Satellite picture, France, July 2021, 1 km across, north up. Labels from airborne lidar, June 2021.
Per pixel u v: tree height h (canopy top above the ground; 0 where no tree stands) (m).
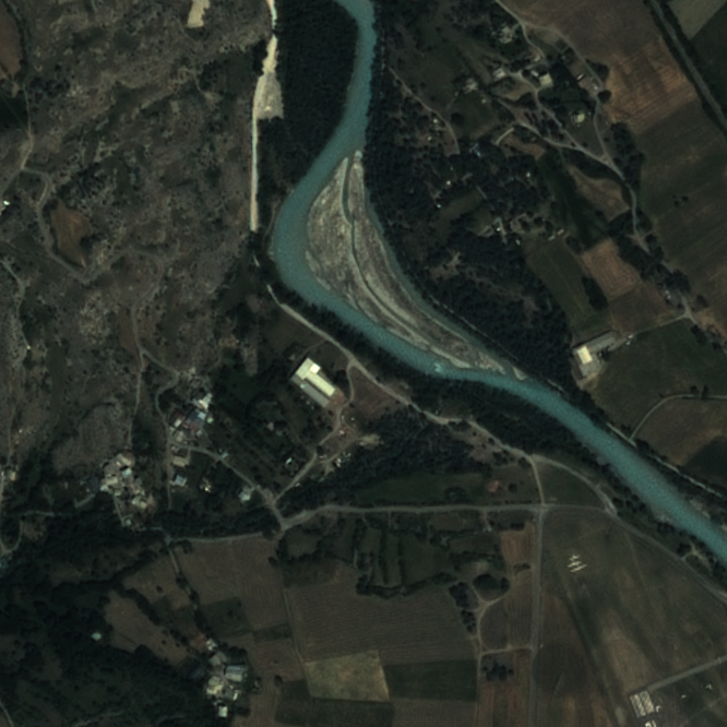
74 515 9
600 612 0
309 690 0
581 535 0
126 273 0
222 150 0
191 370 0
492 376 0
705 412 0
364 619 0
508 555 0
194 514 13
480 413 11
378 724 0
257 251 20
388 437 9
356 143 0
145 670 8
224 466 6
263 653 0
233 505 0
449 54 0
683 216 0
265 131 7
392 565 0
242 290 0
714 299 0
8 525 10
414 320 0
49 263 0
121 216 0
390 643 0
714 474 0
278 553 12
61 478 7
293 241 0
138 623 0
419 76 0
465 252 10
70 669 9
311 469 0
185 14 0
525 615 0
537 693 0
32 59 0
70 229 0
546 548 0
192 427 0
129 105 0
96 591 7
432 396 11
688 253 0
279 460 7
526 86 0
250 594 0
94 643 15
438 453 8
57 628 21
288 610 0
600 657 0
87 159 0
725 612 0
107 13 0
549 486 0
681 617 0
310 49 8
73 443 0
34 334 0
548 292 10
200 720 7
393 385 0
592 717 0
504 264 8
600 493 0
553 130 18
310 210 0
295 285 0
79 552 14
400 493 0
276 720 0
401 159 12
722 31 0
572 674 0
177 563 0
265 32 0
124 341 0
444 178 11
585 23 0
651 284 0
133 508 0
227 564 0
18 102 0
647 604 0
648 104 0
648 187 0
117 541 21
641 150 0
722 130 12
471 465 6
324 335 0
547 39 0
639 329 0
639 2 0
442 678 0
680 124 0
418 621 0
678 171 0
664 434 0
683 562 0
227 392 15
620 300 0
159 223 0
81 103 0
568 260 0
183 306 0
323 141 6
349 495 7
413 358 0
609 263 0
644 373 0
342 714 0
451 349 0
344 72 7
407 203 15
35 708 7
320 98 9
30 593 11
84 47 0
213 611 0
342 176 0
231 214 0
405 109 13
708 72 0
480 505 0
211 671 6
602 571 0
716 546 0
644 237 0
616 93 0
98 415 0
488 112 0
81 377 0
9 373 0
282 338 0
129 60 0
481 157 18
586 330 0
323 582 0
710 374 0
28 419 0
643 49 0
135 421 7
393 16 19
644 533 0
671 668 0
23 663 11
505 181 11
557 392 6
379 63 11
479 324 11
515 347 10
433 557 0
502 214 11
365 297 0
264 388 7
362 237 0
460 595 9
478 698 0
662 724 0
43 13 0
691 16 0
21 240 0
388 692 0
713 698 0
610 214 0
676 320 0
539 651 0
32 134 0
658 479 0
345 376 9
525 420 6
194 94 7
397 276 0
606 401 0
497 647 0
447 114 0
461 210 0
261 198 11
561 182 0
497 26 13
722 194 0
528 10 0
